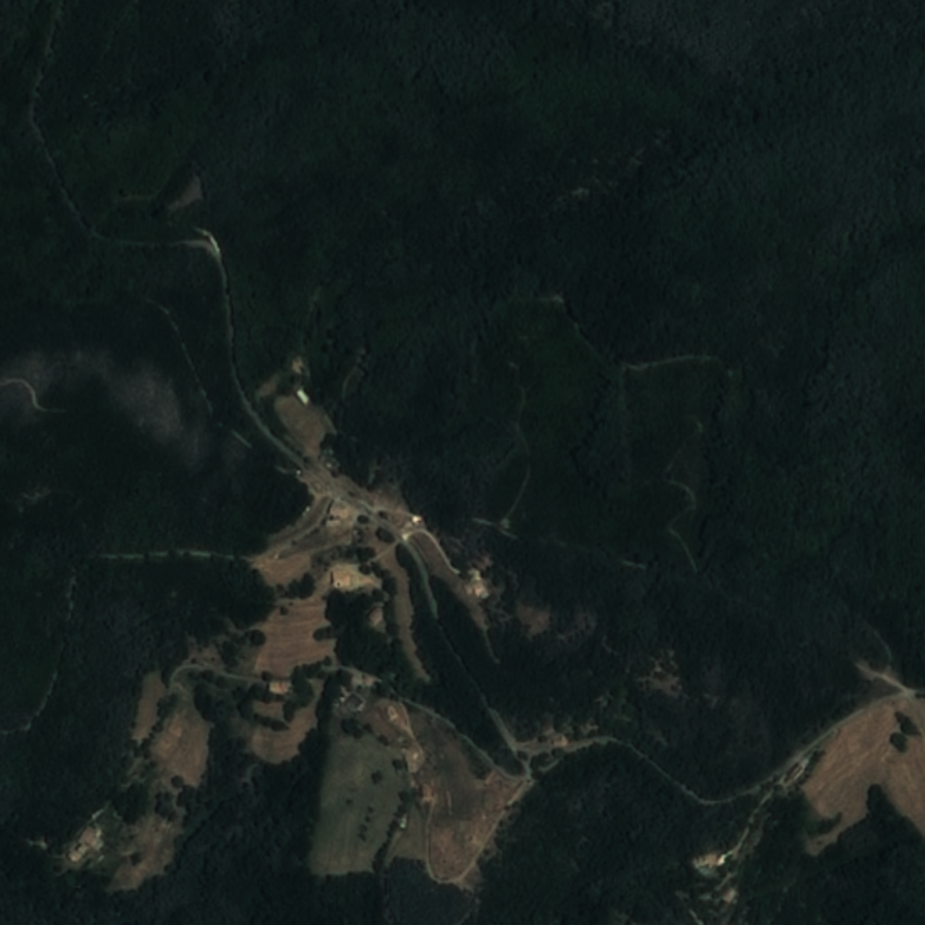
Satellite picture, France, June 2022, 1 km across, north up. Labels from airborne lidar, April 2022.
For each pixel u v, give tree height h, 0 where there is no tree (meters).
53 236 13
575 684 13
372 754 0
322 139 11
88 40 15
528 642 9
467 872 0
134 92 14
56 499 7
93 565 17
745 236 15
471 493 15
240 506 12
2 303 6
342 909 13
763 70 14
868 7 16
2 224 10
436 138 14
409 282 13
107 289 14
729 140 19
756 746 7
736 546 21
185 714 0
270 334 14
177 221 12
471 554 10
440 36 13
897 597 19
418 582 11
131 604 7
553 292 19
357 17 16
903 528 17
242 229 12
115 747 15
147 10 13
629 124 13
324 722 13
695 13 9
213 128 12
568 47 17
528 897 13
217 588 7
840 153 11
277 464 7
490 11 14
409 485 9
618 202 17
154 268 17
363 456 8
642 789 10
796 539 21
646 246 22
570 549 12
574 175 12
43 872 17
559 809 13
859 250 15
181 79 18
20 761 13
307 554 0
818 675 14
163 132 14
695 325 18
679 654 10
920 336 17
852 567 12
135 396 0
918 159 14
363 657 17
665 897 10
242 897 19
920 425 21
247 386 16
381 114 13
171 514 11
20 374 0
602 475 21
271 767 9
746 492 19
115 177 15
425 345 16
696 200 17
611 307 24
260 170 13
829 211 15
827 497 16
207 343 12
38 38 7
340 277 14
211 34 13
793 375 15
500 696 10
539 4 18
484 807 0
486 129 14
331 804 0
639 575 14
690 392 0
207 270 8
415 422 13
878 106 10
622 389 24
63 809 13
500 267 24
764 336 11
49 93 14
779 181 15
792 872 8
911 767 0
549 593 11
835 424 15
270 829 19
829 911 14
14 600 12
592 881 10
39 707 13
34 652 10
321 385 8
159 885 15
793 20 11
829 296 12
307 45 15
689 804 16
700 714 7
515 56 8
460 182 16
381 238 14
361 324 20
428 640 13
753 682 14
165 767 0
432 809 0
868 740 0
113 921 12
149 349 6
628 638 16
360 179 17
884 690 0
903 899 17
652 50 17
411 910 10
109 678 12
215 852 21
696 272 22
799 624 17
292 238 10
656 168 16
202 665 0
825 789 0
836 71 18
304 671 8
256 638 16
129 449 8
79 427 8
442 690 16
